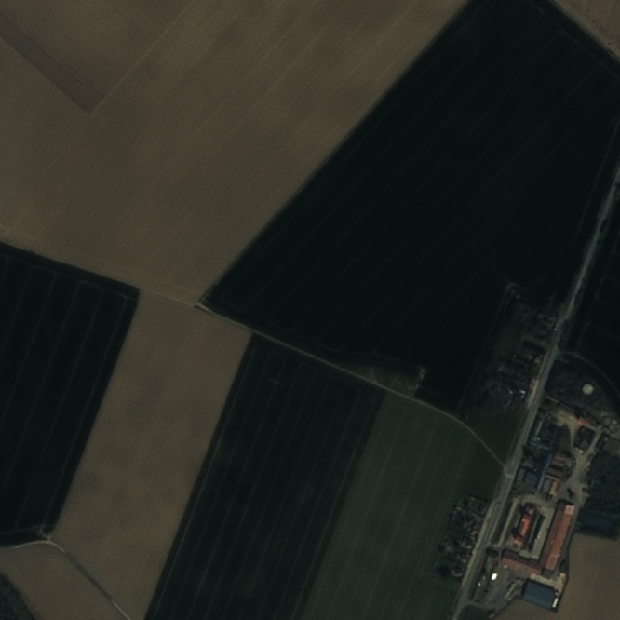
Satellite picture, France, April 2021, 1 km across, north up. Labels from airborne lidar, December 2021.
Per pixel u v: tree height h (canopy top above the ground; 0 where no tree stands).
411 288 0
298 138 0
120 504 0
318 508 0
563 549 0
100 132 0
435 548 0
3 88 0
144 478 0
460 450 0
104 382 0
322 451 0
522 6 0
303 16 0
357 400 0
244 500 0
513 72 0
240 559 0
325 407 0
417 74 0
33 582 0
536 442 0
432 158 0
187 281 0
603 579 0
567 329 16
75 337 0
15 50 0
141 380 0
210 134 0
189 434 0
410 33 0
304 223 0
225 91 0
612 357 0
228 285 0
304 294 0
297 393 0
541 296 0
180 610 0
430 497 0
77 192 0
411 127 0
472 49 0
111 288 0
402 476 0
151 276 0
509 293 0
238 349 0
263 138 0
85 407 0
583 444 0
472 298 0
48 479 0
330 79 0
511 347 0
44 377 0
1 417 0
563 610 0
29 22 0
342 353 0
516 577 0
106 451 0
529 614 0
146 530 0
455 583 0
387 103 0
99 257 0
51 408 0
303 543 0
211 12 0
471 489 0
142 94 0
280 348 0
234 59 0
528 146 0
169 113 0
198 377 0
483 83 0
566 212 0
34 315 0
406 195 0
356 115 0
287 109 0
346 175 0
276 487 0
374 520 0
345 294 0
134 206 0
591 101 0
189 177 0
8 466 0
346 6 0
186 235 0
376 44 0
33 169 0
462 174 0
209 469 0
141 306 0
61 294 0
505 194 0
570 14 0
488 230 0
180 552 0
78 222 0
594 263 0
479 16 0
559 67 0
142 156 0
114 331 0
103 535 0
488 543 0
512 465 0
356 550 0
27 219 0
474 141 0
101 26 0
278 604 0
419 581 0
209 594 0
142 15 0
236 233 0
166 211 0
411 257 0
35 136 0
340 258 0
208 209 0
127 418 0
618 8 0
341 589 0
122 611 0
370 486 0
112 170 0
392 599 0
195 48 0
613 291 0
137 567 0
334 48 0
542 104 0
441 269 0
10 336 0
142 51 0
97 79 0
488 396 13
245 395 0
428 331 0
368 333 0
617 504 7
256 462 0
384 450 0
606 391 0
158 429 0
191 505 0
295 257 0
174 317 0
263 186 0
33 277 0
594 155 0
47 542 0
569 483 0
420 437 0
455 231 0
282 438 0
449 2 0
